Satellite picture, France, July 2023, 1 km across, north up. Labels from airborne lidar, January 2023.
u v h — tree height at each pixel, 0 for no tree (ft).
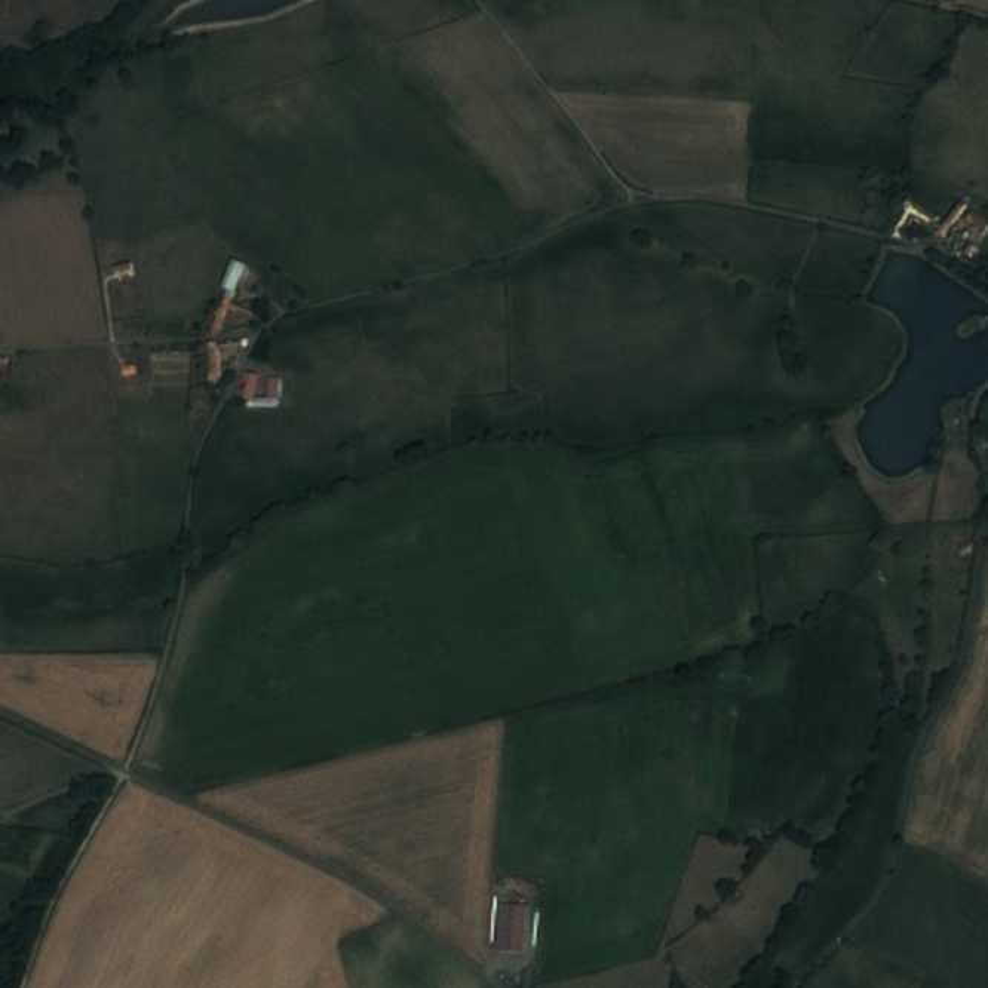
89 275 0
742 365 0
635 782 0
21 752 0
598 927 0
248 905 0
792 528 0
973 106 0
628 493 0
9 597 0
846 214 0
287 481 0
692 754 0
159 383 0
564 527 0
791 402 0
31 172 61
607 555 0
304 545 0
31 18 0
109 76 0
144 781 0
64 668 0
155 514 0
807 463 0
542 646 0
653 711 0
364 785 0
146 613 0
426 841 0
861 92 0
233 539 34
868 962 0
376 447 0
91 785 56
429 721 0
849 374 0
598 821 0
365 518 0
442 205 0
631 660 0
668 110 0
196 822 0
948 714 0
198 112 0
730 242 0
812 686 0
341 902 0
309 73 0
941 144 0
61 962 0
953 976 0
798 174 0
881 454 0
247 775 0
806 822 0
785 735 0
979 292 43
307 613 0
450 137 0
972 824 0
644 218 0
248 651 0
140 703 0
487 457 0
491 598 0
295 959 0
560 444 33
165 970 0
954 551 0
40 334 0
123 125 0
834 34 0
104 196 0
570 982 0
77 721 0
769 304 0
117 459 0
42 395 0
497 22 0
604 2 0
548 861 0
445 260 0
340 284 0
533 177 0
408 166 0
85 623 0
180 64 0
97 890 0
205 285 0
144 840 0
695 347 0
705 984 0
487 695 0
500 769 0
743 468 0
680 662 0
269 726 0
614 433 0
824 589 0
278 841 0
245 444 0
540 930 0
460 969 0
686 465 0
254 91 0
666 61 0
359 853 0
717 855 0
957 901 0
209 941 0
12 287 0
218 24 0
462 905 0
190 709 0
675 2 0
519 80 0
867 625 0
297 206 0
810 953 0
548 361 0
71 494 0
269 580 0
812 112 0
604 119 0
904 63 0
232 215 0
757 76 0
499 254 0
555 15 0
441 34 0
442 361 0
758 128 0
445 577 0
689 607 0
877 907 0
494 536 0
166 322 0
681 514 0
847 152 0
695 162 0
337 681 0
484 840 0
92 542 0
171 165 0
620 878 0
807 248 0
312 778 0
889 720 55
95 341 0
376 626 0
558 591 0
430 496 0
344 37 0
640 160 0
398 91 0
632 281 0
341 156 0
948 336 0
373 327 0
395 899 0
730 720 0
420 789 0
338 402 0
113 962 0
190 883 0
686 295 0
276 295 0
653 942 0
